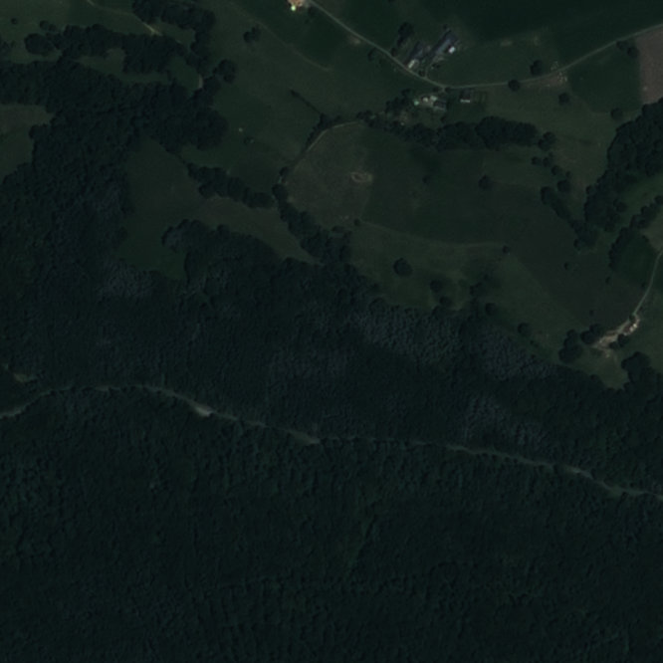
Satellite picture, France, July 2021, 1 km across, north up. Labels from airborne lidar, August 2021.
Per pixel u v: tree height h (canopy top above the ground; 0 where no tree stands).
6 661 24
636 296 0
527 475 31
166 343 20
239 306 25
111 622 22
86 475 22
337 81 0
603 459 20
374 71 0
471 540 23
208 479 21
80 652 21
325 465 26
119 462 20
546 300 0
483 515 16
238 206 0
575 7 0
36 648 20
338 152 0
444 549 18
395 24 0
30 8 0
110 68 0
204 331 24
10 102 19
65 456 24
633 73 0
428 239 0
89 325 22
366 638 20
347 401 26
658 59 0
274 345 25
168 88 9
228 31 0
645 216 17
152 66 14
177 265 0
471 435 25
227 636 21
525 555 23
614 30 0
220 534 23
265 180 0
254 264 24
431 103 0
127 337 27
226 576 23
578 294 0
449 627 18
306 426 29
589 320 0
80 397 29
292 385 26
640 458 28
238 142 0
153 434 29
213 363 26
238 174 0
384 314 17
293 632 21
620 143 21
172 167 0
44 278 26
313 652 18
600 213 18
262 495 22
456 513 20
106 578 18
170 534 26
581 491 31
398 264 16
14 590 18
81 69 26
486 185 17
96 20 0
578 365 0
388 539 24
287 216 17
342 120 13
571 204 0
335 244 20
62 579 23
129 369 25
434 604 21
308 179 0
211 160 0
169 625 16
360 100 0
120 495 24
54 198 30
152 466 23
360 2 0
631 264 0
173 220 0
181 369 25
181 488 22
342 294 20
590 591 21
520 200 0
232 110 0
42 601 23
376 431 25
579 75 0
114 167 26
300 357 24
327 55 0
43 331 20
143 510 19
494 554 21
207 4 0
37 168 20
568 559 22
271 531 19
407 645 18
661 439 13
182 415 28
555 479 12
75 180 33
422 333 25
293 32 0
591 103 0
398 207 0
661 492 17
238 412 25
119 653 26
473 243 0
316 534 18
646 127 25
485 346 21
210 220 0
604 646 23
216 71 13
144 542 23
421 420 34
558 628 23
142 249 0
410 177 0
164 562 25
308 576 22
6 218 32
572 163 0
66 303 22
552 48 0
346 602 21
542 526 23
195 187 0
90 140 22
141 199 0
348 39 0
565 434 27
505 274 0
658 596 24
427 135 19
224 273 19
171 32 0
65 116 23
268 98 0
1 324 24
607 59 0
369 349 21
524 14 0
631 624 20
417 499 22
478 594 21
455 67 0
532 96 0
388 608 23
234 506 24
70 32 18
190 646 20
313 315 11
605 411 25
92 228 25
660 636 22
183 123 25
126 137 6
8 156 0
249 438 26
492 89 0
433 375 24
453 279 0
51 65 6
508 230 0
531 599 27
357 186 0
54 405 27
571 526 28
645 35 0
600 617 19
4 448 22
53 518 25
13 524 25
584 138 0
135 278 17
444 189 0
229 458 19
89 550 21
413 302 0
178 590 21
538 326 0
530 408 24
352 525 23
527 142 22
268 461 29
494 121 20
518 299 0
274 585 24
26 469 10
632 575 19
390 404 26
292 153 0
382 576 19
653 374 19
